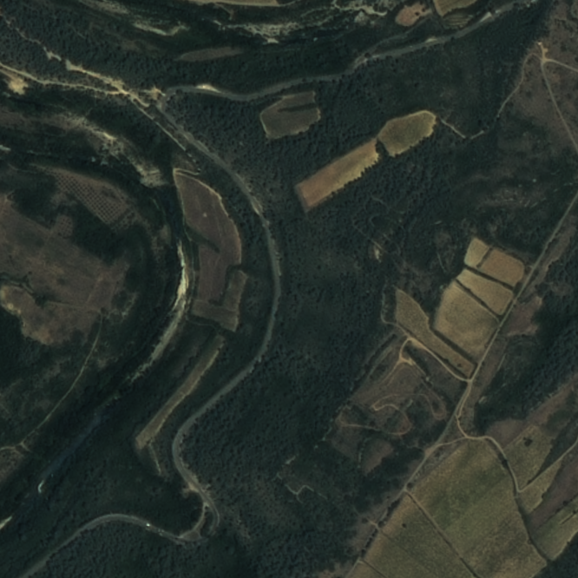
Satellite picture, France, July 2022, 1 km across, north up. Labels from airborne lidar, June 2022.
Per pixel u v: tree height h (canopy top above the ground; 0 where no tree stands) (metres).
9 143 11
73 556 13
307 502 7
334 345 6
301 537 11
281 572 17
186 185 0
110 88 7
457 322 0
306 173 18
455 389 0
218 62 10
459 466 0
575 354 9
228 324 0
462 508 0
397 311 0
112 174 9
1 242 0
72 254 0
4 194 0
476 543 0
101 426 13
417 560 0
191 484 0
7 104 6
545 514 0
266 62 10
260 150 11
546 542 0
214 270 0
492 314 0
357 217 10
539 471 0
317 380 8
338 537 10
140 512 6
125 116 18
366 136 13
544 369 14
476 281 0
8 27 13
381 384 0
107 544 15
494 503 0
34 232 0
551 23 0
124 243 9
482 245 0
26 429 9
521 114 0
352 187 11
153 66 11
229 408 11
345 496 7
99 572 17
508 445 0
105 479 11
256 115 14
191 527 10
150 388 10
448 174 8
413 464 0
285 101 0
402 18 0
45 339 0
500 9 0
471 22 7
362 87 13
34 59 9
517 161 0
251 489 8
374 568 0
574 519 0
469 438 0
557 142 0
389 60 10
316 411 9
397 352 0
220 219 0
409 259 8
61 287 0
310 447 7
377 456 0
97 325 8
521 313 0
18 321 6
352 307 9
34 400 6
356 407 7
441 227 10
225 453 12
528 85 0
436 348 0
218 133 8
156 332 6
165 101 0
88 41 13
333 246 8
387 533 0
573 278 12
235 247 0
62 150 13
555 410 0
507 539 0
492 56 6
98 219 9
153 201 6
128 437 8
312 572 11
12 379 6
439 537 0
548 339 6
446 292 0
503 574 0
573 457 0
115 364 10
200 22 6
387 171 13
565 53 0
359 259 9
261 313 6
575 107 0
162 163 6
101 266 0
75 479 6
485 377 0
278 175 10
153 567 15
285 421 10
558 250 0
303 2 7
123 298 6
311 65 7
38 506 7
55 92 14
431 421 0
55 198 0
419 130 0
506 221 9
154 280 8
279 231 9
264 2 0
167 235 0
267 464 6
